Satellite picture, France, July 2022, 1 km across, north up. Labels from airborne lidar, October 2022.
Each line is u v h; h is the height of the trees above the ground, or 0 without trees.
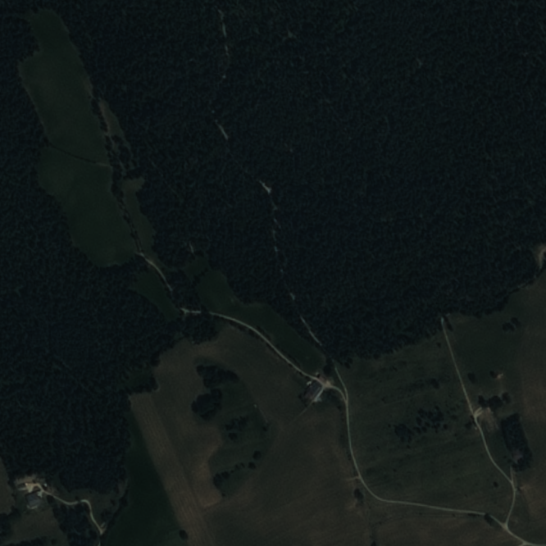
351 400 0
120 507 6
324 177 26
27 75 0
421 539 0
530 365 0
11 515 8
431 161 18
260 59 23
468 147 22
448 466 0
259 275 21
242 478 0
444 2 30
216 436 0
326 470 0
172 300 20
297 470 0
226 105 26
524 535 0
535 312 0
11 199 22
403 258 20
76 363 20
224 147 26
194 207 16
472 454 0
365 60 23
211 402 17
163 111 29
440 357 0
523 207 26
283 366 0
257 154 26
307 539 0
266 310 0
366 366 0
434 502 0
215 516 0
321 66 24
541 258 0
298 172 22
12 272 10
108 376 25
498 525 0
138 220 0
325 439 0
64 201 0
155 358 20
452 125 22
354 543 0
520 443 13
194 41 21
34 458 9
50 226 16
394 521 0
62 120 0
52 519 0
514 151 22
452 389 0
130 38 14
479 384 0
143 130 24
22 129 25
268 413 0
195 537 0
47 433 17
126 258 0
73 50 0
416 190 24
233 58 6
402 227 23
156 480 0
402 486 0
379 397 0
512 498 0
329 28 24
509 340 0
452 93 26
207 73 26
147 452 0
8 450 10
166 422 0
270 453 0
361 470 0
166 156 26
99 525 0
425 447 0
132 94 22
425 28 28
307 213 28
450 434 0
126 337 20
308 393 0
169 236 19
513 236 12
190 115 28
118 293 18
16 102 29
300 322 22
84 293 14
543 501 0
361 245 25
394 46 24
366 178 31
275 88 27
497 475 0
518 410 0
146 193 21
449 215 26
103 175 0
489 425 0
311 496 0
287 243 20
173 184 11
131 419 0
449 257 16
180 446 0
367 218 28
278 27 20
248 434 0
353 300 23
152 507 0
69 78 0
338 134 27
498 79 29
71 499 0
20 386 21
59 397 24
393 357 0
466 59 28
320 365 0
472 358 0
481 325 0
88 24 16
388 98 21
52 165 0
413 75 13
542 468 0
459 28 25
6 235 17
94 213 0
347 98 24
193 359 0
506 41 23
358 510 0
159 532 0
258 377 0
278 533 0
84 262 17
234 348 0
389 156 24
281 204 28
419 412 7
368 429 0
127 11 12
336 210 18
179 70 29
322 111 26
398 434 14
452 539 0
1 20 27
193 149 27
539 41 25
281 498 0
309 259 27
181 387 0
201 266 0
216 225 16
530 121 25
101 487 22
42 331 24
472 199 23
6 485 0
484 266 26
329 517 0
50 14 0
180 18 16
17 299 20
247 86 12
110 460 26
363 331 23
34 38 20
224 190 21
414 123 21
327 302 20
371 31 17
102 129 10
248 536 0
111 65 17
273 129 25
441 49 18
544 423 0
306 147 26
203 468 0
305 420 0
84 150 0
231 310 0
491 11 26
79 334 26
